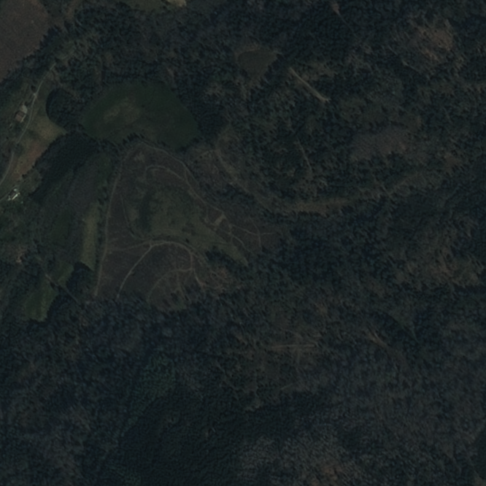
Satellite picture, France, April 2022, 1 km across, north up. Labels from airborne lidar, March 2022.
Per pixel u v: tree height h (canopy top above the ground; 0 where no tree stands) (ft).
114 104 0
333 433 78
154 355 56
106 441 54
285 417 53
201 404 68
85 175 41
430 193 64
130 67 74
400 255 28
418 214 20
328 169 35
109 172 0
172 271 0
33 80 59
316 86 40
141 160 0
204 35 87
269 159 24
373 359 100
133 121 0
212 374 68
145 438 60
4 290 68
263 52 0
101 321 102
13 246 25
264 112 94
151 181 0
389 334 77
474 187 28
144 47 99
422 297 34
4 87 70
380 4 77
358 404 94
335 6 62
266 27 70
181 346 50
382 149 107
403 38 85
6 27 0
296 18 74
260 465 45
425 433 105
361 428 34
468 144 93
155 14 20
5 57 0
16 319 64
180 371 64
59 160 73
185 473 69
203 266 0
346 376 102
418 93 83
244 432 46
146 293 0
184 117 0
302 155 25
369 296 71
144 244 0
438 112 81
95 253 0
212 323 99
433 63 69
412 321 58
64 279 0
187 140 0
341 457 52
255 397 25
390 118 110
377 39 64
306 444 78
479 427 90
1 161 68
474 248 57
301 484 48
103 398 50
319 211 0
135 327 101
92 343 65
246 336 94
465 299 141
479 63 63
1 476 80
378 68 90
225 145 0
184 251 0
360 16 77
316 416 51
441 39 0
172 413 34
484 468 37
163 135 0
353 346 93
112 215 0
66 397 27
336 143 129
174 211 0
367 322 110
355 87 39
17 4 0
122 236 0
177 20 62
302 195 57
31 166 0
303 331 0
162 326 65
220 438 65
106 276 0
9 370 66
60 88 105
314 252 60
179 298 0
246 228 0
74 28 67
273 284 64
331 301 97
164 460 55
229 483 30
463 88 76
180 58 85
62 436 91
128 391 39
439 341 101
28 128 0
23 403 88
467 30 38
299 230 71
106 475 65
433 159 103
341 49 109
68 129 87
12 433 78
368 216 82
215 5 69
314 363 0
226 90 36
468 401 71
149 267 0
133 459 53
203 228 0
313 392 76
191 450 75
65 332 125
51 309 0
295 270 76
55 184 67
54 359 56
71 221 0
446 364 85
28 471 38
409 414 94
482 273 0
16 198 0
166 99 0
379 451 67
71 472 94
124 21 73
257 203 83
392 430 30
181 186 0
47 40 0
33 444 81
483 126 34
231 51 54
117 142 0
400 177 116
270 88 71
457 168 58
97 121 0
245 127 112
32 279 65
